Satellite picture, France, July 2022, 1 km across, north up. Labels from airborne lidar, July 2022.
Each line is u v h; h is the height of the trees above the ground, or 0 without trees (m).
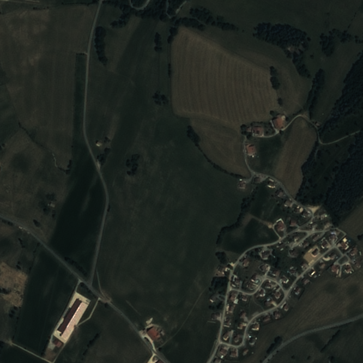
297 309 0
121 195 0
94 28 0
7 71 0
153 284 0
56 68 0
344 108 17
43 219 0
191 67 0
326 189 0
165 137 0
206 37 0
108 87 0
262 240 0
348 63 0
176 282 0
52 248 0
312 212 0
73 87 0
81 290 0
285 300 0
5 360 0
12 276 0
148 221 0
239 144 0
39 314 0
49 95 0
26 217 0
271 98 0
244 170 0
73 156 0
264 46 0
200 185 0
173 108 0
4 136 0
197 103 0
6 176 0
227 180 0
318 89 22
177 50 0
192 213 0
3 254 0
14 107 0
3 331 0
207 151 0
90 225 0
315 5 0
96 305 0
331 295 0
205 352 0
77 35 0
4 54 0
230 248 0
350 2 0
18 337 0
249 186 0
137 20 0
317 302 0
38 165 0
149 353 0
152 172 0
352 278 0
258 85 0
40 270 0
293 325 0
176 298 0
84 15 0
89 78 0
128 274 0
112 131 0
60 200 0
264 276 0
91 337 0
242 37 0
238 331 0
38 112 0
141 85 0
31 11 0
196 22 14
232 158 0
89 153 0
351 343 0
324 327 0
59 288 0
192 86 0
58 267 0
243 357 0
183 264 0
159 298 0
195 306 0
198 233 0
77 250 0
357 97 16
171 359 0
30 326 0
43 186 0
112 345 0
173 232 0
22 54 0
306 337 0
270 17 0
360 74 12
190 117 0
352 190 24
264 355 0
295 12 0
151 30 0
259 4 0
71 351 0
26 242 0
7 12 0
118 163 0
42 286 0
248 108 0
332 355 0
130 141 0
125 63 0
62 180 0
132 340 0
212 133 0
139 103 0
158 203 0
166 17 20
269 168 0
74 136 0
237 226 14
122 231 0
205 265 0
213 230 0
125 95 0
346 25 0
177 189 0
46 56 0
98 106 0
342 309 0
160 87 0
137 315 0
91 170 0
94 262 0
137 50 0
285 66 0
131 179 0
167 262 0
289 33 32
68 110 0
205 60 0
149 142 0
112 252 0
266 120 0
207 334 0
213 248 0
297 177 0
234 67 0
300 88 0
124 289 0
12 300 0
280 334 0
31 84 0
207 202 0
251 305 0
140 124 0
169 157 0
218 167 11
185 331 0
